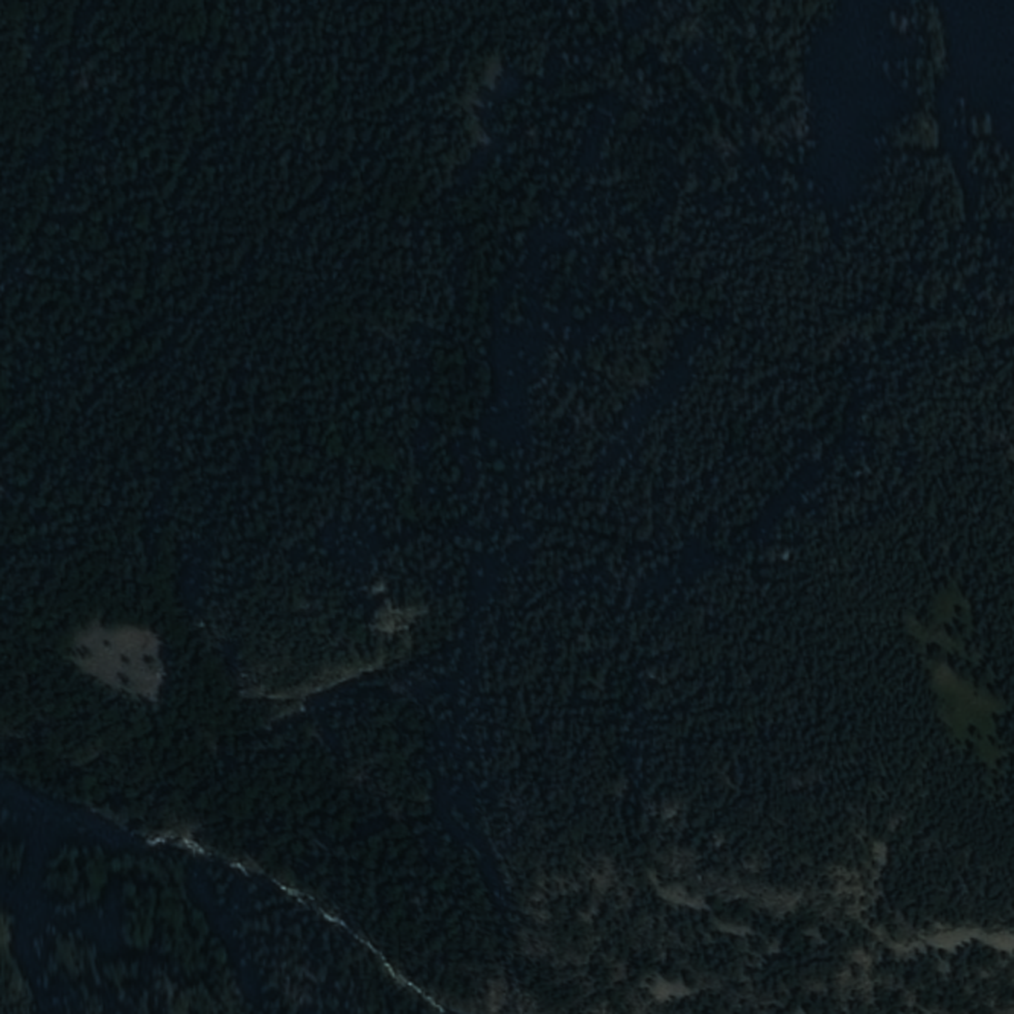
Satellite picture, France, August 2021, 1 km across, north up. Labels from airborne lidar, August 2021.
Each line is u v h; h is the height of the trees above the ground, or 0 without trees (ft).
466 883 70
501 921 23
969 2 68
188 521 102
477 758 49
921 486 74
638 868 60
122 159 126
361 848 102
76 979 27
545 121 74
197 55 80
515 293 58
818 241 111
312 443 72
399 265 104
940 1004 30
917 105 33
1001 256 26
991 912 45
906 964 32
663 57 116
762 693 71
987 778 55
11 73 78
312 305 103
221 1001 39
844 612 39
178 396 77
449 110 99
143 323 47
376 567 60
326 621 30
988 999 25
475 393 78
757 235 64
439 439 84
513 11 68
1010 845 73
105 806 69
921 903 60
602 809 91
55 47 85
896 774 23
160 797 45
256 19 93
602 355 100
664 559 99
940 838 43
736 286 81
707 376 106
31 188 99
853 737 57
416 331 30
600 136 45
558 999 41
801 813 77
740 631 90
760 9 28
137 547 70
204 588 67
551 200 64
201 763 101
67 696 72
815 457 46
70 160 70
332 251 102
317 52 89
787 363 73
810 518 65
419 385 74
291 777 87
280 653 53
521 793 106
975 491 24
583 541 111
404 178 119
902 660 55
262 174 90
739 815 76
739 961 69
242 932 88
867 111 66
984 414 68
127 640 0
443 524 71
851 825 25
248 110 64
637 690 75
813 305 87
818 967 75
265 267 63
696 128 37
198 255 94
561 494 93
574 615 72
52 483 88
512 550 66
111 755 82
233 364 111
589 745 95
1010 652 32
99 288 65
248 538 67
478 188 85
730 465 89
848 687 53
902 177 85
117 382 97
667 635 72
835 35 35
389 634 50
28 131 86
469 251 85
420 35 69
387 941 49
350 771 45
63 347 56
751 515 90
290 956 94
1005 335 77
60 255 82
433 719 45
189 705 102
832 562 35
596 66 34
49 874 101
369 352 75
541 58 61
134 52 72
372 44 104
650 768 36
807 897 49
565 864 78
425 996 23
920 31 80
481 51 63
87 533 99
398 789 48
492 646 98
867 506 63
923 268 35
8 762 60
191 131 95
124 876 108
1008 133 48
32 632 85
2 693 55
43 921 59
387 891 91
